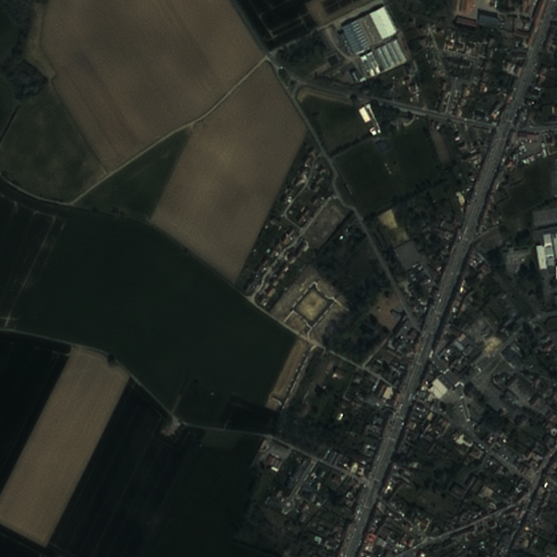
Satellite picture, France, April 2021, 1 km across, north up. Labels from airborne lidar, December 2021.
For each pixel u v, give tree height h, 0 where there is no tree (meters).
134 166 0
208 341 0
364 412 0
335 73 0
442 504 0
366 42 0
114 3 0
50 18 0
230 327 0
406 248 0
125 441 0
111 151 0
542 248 0
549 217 0
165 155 0
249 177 0
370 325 0
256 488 16
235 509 0
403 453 10
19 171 0
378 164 0
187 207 0
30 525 0
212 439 0
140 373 0
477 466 13
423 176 0
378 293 24
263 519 11
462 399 0
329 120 0
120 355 0
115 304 0
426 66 0
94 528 0
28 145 0
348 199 0
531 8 0
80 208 0
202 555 0
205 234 0
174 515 0
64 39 0
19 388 0
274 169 0
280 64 0
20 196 0
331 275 13
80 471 0
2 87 0
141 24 0
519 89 0
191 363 0
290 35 0
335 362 0
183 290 0
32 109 0
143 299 0
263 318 0
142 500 0
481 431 0
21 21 21
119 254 0
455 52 0
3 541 0
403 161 0
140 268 0
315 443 19
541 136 0
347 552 0
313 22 0
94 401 0
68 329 0
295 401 0
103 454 0
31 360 0
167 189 0
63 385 0
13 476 0
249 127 0
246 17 0
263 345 0
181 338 0
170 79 0
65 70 0
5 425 0
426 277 0
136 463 0
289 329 0
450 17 21
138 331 0
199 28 0
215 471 0
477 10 0
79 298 0
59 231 0
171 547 0
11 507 0
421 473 11
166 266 0
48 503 0
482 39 0
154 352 0
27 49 0
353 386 7
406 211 16
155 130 0
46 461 0
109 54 0
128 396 0
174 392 0
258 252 0
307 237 0
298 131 0
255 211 0
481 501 0
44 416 0
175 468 0
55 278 0
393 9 0
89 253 0
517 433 8
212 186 0
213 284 0
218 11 0
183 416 0
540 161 0
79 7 0
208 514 0
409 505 9
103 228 0
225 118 0
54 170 0
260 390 0
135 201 0
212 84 0
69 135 0
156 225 0
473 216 0
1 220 0
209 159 0
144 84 0
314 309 0
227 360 0
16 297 0
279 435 17
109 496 0
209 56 0
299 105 0
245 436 0
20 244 0
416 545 0
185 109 0
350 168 0
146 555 0
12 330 0
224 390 0
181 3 0
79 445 0
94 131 0
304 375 0
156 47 0
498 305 0
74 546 0
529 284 0
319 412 11
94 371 0
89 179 0
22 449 0
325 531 8
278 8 0
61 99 0
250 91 0
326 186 0
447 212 0
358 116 0
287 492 0
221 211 0
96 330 0
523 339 6
